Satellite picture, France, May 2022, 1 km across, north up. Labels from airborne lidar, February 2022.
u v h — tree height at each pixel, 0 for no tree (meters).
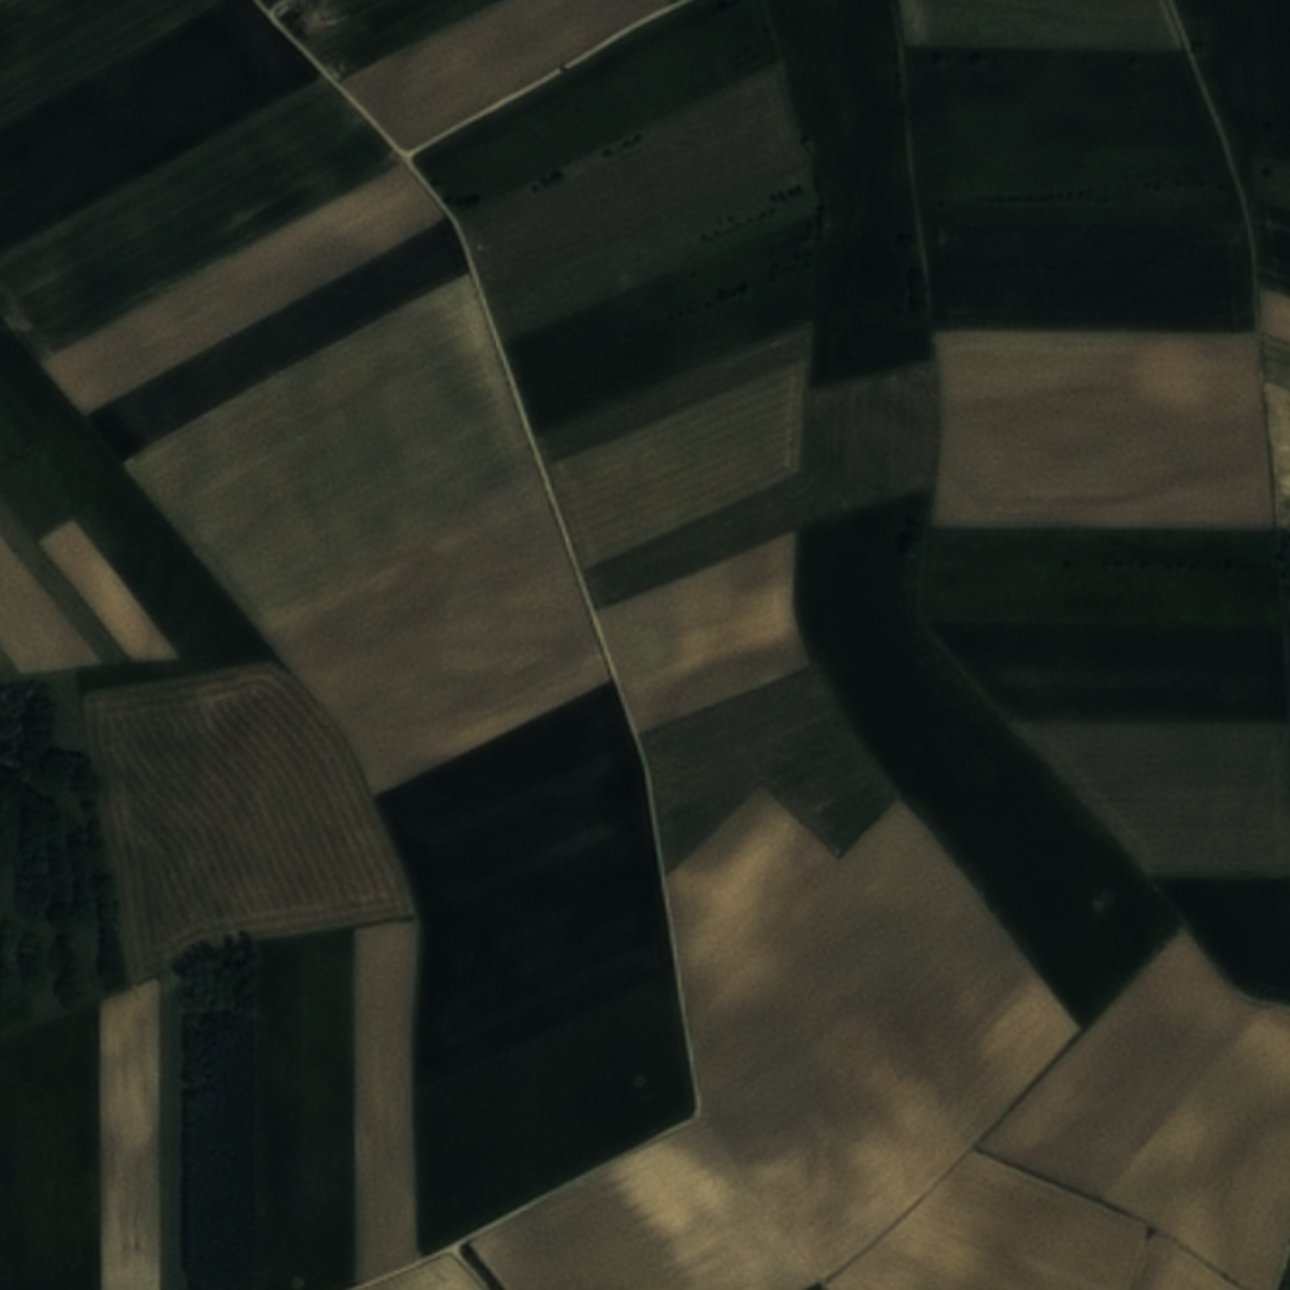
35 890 12
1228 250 0
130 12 0
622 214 0
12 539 0
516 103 0
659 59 0
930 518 0
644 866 0
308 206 0
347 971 0
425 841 0
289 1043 0
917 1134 0
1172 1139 0
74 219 0
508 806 0
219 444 0
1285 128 0
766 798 0
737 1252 0
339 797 0
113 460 0
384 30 0
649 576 0
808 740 0
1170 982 0
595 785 0
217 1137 15
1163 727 0
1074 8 0
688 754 0
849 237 0
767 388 0
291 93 0
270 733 0
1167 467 0
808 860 0
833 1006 0
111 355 0
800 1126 0
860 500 0
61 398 0
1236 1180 0
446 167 0
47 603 0
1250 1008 0
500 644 0
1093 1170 0
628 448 0
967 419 0
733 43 0
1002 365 0
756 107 0
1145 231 0
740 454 0
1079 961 0
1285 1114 0
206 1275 14
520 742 0
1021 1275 0
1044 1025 0
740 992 0
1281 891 0
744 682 0
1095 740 0
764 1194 0
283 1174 0
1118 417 0
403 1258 0
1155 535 0
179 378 0
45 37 0
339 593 0
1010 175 0
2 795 11
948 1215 0
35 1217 0
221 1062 15
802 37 0
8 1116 0
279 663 0
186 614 0
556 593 0
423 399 0
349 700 0
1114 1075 0
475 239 0
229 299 0
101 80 0
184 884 0
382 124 0
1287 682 0
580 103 0
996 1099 0
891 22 0
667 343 0
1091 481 0
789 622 0
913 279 11
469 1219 0
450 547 0
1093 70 0
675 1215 0
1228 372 0
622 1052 0
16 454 0
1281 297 0
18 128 0
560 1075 0
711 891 0
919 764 0
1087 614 0
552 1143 0
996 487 0
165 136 0
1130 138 0
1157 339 0
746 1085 0
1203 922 0
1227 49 0
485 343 0
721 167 0
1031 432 0
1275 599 0
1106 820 0
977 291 0
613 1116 0
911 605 0
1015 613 0
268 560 0
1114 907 0
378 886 0
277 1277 0
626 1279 0
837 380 0
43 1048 0
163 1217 0
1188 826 0
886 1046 0
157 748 0
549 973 0
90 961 0
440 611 0
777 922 0
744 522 0
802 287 0
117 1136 0
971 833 0
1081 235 0
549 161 0
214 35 0
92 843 11
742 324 0
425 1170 0
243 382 0
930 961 0
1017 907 0
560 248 0
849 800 0
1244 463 0
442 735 0
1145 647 0
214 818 0
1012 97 0
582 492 0
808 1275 0
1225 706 0
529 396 0
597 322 0
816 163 0
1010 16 0
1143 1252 0
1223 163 0
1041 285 0
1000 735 0
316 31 0
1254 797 0
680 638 0
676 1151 0
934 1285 0
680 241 0
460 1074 0
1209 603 0
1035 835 0
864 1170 0
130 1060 0
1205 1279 0
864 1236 0
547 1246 0
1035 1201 0
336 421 0
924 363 0
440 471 0
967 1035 0
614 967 0
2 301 0
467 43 0
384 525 0
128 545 0
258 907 0
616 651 0
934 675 0
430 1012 0
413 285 0
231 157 0
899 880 0
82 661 0
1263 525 0
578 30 0
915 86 0
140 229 0
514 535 0
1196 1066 0
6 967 8
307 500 0
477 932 0
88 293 0
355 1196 0
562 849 0
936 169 0
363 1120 0
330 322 0
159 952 0
